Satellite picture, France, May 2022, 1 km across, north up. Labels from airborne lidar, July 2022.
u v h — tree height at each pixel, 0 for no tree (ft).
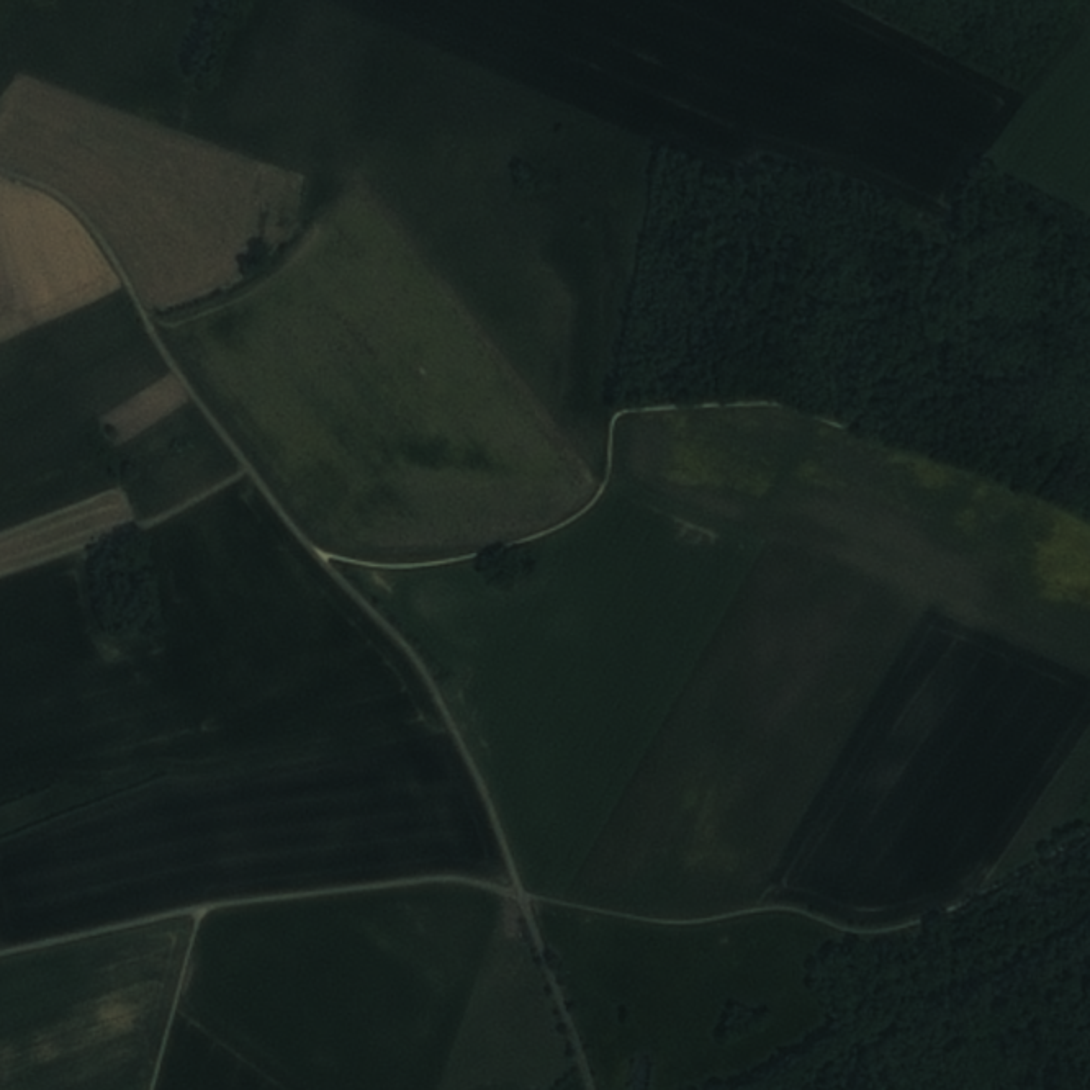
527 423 0
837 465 0
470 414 0
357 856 0
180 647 0
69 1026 0
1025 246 76
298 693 0
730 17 0
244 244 0
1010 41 67
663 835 0
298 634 0
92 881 0
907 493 0
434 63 0
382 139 0
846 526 0
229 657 0
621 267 0
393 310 0
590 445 0
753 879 0
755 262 82
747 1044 0
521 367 0
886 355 85
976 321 79
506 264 0
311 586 0
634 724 0
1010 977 110
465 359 0
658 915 0
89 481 0
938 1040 82
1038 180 0
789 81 0
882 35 0
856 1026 79
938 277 89
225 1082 0
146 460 0
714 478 0
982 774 0
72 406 0
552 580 0
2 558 0
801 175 69
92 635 0
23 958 0
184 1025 0
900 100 0
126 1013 0
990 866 0
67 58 0
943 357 69
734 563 0
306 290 0
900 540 0
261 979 0
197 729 0
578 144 0
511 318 0
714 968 0
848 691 0
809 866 0
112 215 0
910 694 0
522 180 63
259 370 0
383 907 0
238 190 0
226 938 0
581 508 0
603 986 0
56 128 0
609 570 0
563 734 0
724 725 0
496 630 0
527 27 0
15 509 0
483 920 0
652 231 46
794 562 0
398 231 0
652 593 0
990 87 0
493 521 0
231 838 0
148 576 46
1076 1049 52
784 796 0
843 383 78
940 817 0
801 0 0
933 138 0
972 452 52
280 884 0
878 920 0
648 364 69
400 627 18
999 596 0
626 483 0
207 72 80
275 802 0
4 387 0
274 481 0
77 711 0
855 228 73
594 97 0
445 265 0
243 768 0
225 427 0
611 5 0
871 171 0
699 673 0
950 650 0
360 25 0
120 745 0
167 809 0
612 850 0
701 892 0
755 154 0
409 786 0
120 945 0
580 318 0
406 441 0
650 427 0
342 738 0
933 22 68
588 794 0
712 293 72
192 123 0
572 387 0
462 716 0
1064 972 30
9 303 0
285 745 0
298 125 0
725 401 53
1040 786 0
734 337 89
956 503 0
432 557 0
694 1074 0
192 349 0
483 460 0
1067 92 0
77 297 0
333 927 0
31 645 0
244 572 0
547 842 0
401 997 0
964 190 43
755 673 0
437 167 0
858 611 0
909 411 65
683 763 0
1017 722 0
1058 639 0
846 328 73
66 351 0
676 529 0
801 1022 0
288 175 0
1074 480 53
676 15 0
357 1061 0
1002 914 68
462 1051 0
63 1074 0
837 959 83
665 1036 0
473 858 0
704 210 74
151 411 0
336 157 0
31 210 0
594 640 0
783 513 0
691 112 0
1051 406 89
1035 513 0
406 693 0
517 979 0
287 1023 0
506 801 0
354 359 0
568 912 0
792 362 80
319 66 0
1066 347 77
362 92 0
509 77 0
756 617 0
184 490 0
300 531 0
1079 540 0
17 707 0
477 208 0
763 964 0
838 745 0
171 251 0
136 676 0
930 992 39
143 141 0
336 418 0
